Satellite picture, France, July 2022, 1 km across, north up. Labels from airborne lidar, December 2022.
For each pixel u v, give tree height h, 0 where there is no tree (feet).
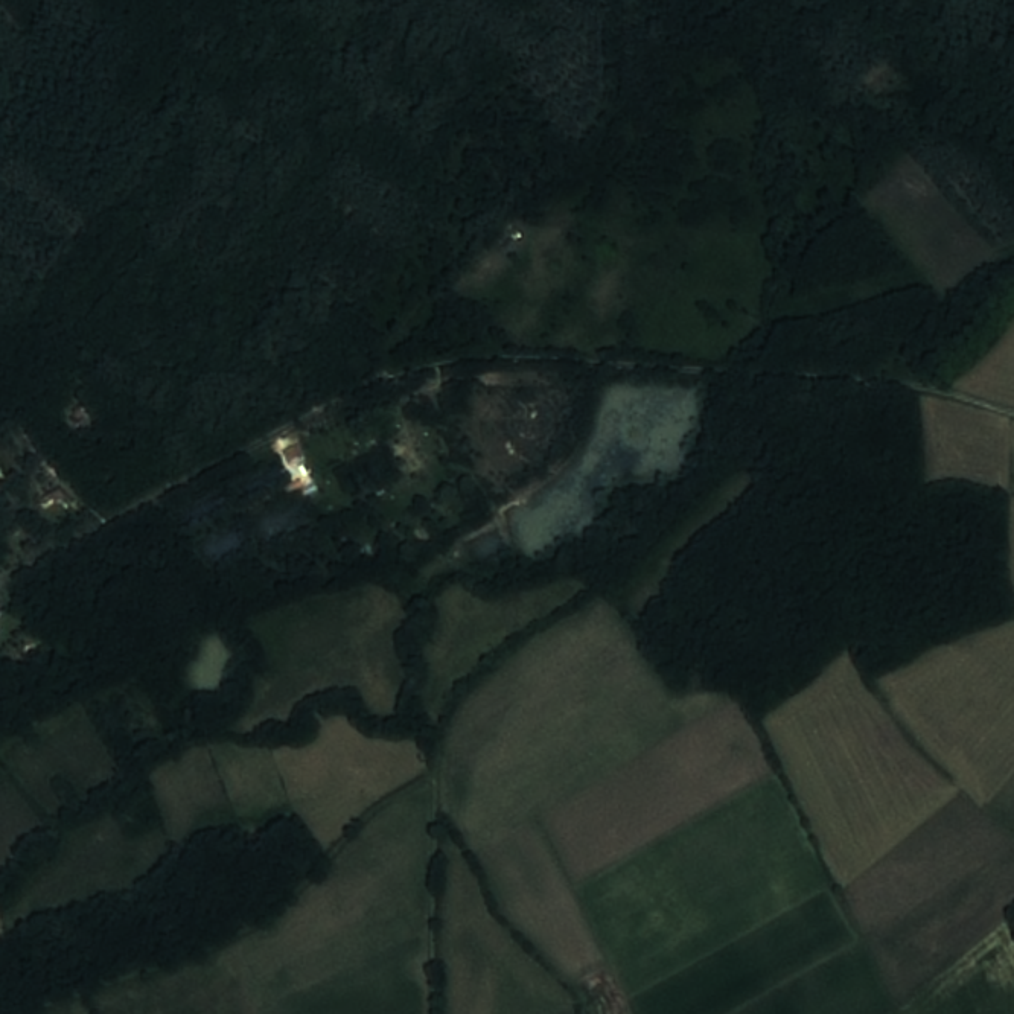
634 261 0
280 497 20
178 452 90
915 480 43
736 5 80
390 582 42
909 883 0
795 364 59
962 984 0
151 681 28
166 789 0
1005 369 0
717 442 72
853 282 36
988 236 40
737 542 77
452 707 19
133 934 57
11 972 53
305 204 37
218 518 43
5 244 78
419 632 68
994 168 62
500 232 62
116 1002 0
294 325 74
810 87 72
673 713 0
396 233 57
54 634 73
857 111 66
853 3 71
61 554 48
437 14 54
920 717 0
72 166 84
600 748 0
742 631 82
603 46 60
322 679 0
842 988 0
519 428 0
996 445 0
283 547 53
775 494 57
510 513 0
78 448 75
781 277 54
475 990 0
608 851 0
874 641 71
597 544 61
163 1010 0
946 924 0
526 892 0
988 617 39
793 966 0
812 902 0
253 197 58
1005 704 0
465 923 0
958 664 0
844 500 68
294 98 70
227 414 67
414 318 0
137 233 56
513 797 0
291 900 52
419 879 0
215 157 83
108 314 73
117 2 74
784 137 71
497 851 0
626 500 57
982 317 79
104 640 70
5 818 0
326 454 0
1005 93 76
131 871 0
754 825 0
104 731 36
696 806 0
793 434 49
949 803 0
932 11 52
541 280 0
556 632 0
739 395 70
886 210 0
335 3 90
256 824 0
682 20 85
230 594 55
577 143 67
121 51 91
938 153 51
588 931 0
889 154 60
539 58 58
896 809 0
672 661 29
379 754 0
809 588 70
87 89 81
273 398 74
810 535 54
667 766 0
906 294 55
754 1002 0
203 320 66
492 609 0
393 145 43
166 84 66
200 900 73
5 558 71
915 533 58
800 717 0
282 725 37
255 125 63
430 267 40
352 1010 0
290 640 0
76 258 53
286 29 56
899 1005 0
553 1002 0
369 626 0
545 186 49
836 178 18
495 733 0
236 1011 0
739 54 43
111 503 60
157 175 66
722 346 0
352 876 0
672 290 0
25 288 77
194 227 80
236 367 57
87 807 40
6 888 73
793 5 63
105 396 68
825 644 51
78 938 57
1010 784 0
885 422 48
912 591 64
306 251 37
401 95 49
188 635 64
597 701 0
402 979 0
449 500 65
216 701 66
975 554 53
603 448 0
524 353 21
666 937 0
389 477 37
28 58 79
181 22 64
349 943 0
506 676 0
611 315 0
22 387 77
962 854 0
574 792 0
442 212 61
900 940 0
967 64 84
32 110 85
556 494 0
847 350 57
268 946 0
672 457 0
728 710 0
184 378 54
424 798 0
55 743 0
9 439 54
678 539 0
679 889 0
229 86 60
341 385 63
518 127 60
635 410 0
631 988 0
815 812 0
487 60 63
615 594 41
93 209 77
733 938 0
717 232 0
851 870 0
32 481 55
